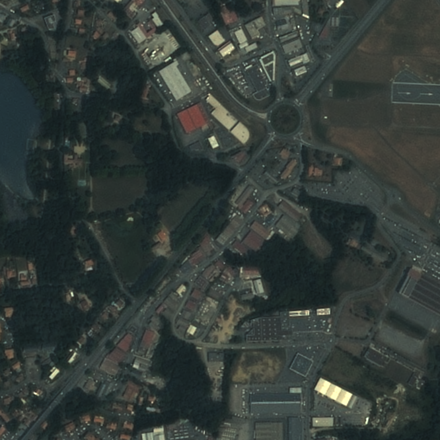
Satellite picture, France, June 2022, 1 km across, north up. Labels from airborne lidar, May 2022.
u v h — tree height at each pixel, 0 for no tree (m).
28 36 28
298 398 0
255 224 0
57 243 25
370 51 0
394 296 0
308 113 0
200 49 0
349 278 0
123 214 14
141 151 26
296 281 18
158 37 0
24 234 26
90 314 19
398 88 0
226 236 0
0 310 11
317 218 13
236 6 13
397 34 0
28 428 0
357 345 0
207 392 33
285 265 22
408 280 0
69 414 19
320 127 0
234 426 0
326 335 0
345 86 0
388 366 0
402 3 0
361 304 0
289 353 0
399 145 0
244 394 0
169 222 0
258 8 16
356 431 12
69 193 15
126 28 8
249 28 0
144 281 31
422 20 0
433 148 0
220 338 0
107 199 0
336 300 8
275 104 0
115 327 0
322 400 0
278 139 0
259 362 0
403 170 0
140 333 0
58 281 26
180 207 0
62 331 32
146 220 22
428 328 0
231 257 23
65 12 17
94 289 19
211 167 22
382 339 0
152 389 22
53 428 16
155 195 28
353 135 0
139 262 0
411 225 0
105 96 19
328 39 0
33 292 19
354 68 0
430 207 0
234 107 0
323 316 0
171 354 27
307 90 0
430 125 0
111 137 14
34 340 16
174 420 14
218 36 0
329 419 0
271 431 0
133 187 0
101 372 0
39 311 20
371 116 0
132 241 0
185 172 17
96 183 0
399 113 0
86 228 21
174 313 0
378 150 0
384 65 0
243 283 0
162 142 22
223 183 16
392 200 0
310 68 0
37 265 9
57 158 16
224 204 21
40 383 0
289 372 0
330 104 0
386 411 7
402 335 0
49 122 16
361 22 0
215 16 6
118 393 10
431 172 0
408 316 0
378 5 0
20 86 0
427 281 0
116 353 0
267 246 23
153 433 0
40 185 19
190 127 0
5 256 13
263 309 17
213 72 0
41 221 20
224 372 8
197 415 29
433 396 26
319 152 13
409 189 0
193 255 0
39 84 9
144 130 0
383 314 0
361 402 0
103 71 8
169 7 0
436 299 0
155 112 19
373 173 0
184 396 29
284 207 0
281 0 0
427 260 0
